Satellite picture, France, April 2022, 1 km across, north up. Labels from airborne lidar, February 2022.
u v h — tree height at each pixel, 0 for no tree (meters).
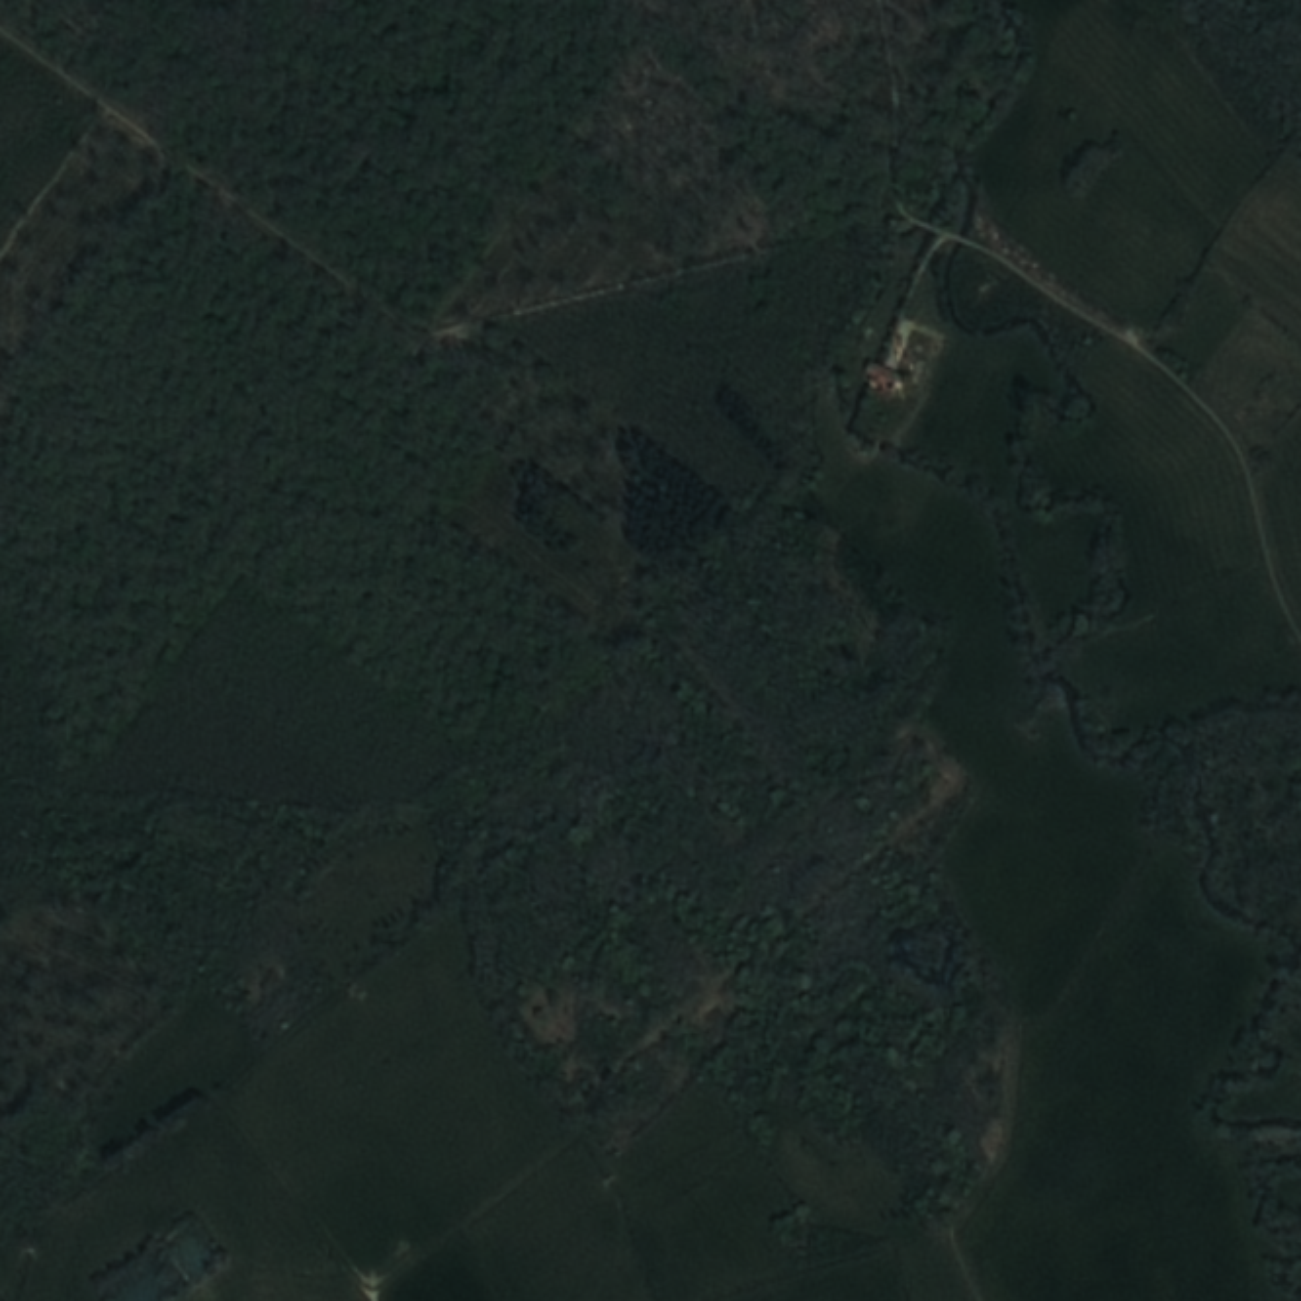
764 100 28
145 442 22
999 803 0
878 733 22
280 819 12
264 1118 0
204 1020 0
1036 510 11
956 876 0
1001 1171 0
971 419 0
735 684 23
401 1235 0
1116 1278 0
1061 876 0
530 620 25
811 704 23
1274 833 19
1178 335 0
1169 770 7
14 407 25
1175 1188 0
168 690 16
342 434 26
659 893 19
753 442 21
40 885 15
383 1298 0
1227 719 19
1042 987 0
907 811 6
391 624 25
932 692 17
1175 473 0
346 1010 0
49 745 16
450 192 24
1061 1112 0
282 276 24
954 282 0
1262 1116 0
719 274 19
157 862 14
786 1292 0
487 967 21
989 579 0
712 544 18
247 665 12
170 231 25
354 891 0
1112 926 0
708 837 24
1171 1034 0
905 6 17
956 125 25
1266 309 0
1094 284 0
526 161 24
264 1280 0
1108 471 0
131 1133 0
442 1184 0
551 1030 0
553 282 0
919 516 0
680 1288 0
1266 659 0
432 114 31
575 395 0
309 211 27
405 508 25
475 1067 0
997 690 0
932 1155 12
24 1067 25
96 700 26
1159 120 0
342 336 25
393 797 16
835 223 19
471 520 0
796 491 25
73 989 0
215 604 17
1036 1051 0
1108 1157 0
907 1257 0
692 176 28
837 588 0
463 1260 0
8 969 25
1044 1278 0
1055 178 0
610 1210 0
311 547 26
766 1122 9
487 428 25
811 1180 0
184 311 27
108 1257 0
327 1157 0
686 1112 0
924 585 0
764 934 17
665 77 28
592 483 0
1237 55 24
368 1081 0
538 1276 0
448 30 25
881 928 14
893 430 0
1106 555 19
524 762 21
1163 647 0
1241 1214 0
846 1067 13
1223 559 0
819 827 6
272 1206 0
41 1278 0
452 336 0
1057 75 0
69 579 23
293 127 25
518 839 13
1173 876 0
